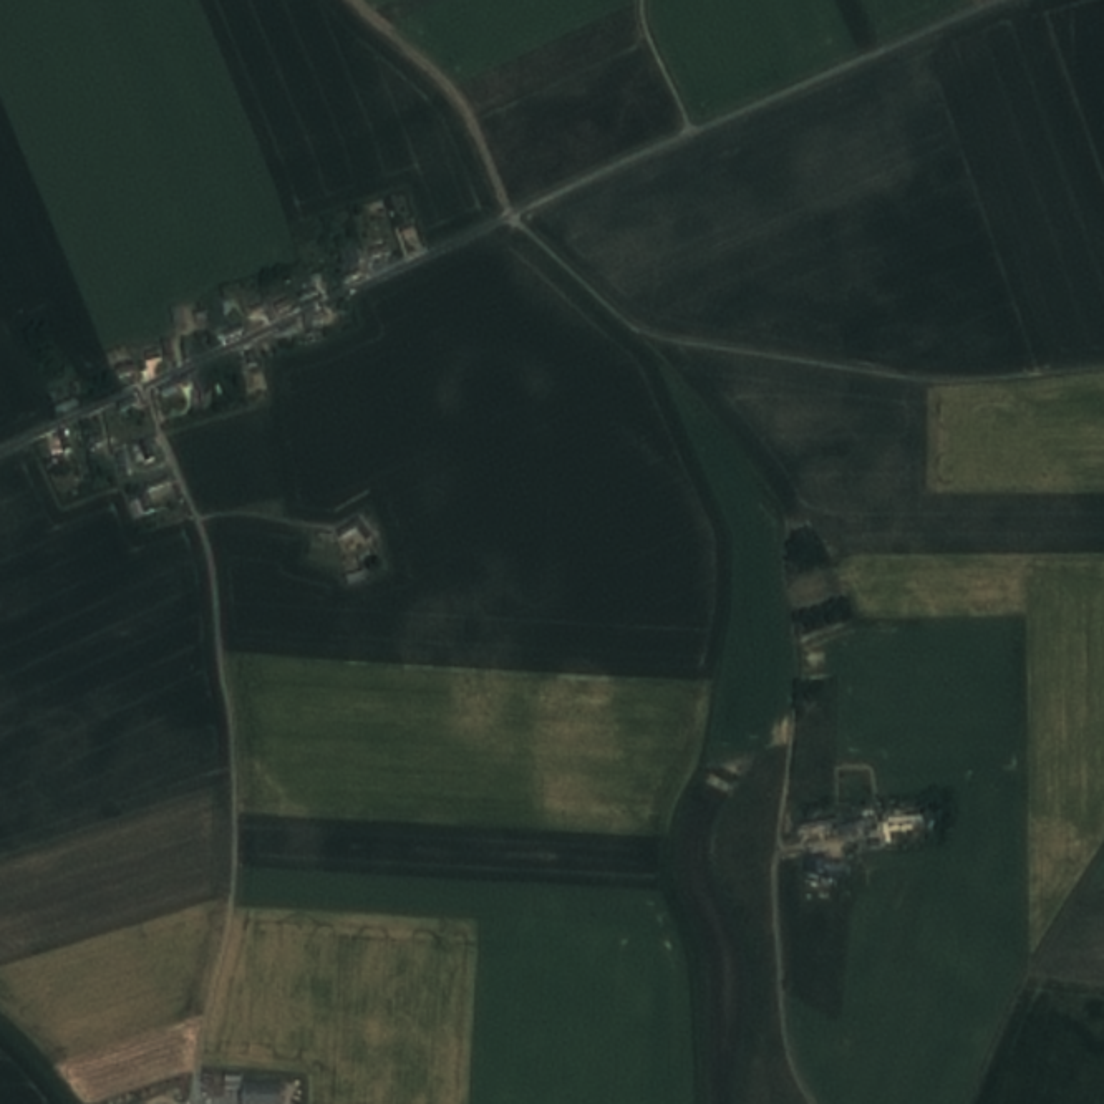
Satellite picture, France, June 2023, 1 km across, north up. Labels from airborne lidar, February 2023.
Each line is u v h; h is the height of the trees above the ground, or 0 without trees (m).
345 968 0
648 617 0
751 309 0
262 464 0
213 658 0
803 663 0
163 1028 0
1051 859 0
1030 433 0
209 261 0
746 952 0
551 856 0
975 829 0
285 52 0
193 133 0
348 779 0
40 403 0
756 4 0
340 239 8
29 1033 0
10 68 0
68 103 0
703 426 0
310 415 0
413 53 0
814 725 0
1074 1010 0
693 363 0
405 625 0
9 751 0
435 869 0
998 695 0
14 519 0
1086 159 0
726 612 0
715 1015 0
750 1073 0
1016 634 0
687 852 0
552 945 0
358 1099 0
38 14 0
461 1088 0
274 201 0
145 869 0
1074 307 0
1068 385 0
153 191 0
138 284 0
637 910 0
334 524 0
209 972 0
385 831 0
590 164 0
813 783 0
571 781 0
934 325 0
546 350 0
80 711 0
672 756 0
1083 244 0
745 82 0
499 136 0
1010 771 0
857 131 0
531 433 0
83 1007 0
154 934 0
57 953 0
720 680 0
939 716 0
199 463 0
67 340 0
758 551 0
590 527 0
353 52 0
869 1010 0
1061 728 0
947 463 0
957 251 0
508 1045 0
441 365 0
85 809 0
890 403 0
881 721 0
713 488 0
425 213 0
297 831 0
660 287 0
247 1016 0
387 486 0
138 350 0
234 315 8
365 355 0
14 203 0
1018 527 0
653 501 0
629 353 0
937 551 0
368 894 0
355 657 0
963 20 0
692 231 0
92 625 0
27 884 0
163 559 0
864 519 0
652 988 0
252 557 0
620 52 0
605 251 0
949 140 0
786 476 0
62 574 0
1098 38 0
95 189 0
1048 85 0
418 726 0
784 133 0
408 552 0
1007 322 0
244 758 0
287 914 0
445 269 0
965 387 0
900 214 0
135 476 0
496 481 0
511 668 0
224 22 0
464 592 0
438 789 0
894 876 0
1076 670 0
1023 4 0
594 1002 0
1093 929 0
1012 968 0
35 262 0
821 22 0
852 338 0
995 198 0
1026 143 0
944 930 0
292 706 0
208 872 0
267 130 0
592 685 0
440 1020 0
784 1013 0
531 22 0
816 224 0
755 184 0
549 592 0
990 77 0
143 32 0
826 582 0
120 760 0
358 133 0
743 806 0
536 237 0
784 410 0
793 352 0
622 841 0
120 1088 0
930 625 0
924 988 0
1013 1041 0
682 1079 0
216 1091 0
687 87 0
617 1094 0
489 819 0
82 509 0
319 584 0
